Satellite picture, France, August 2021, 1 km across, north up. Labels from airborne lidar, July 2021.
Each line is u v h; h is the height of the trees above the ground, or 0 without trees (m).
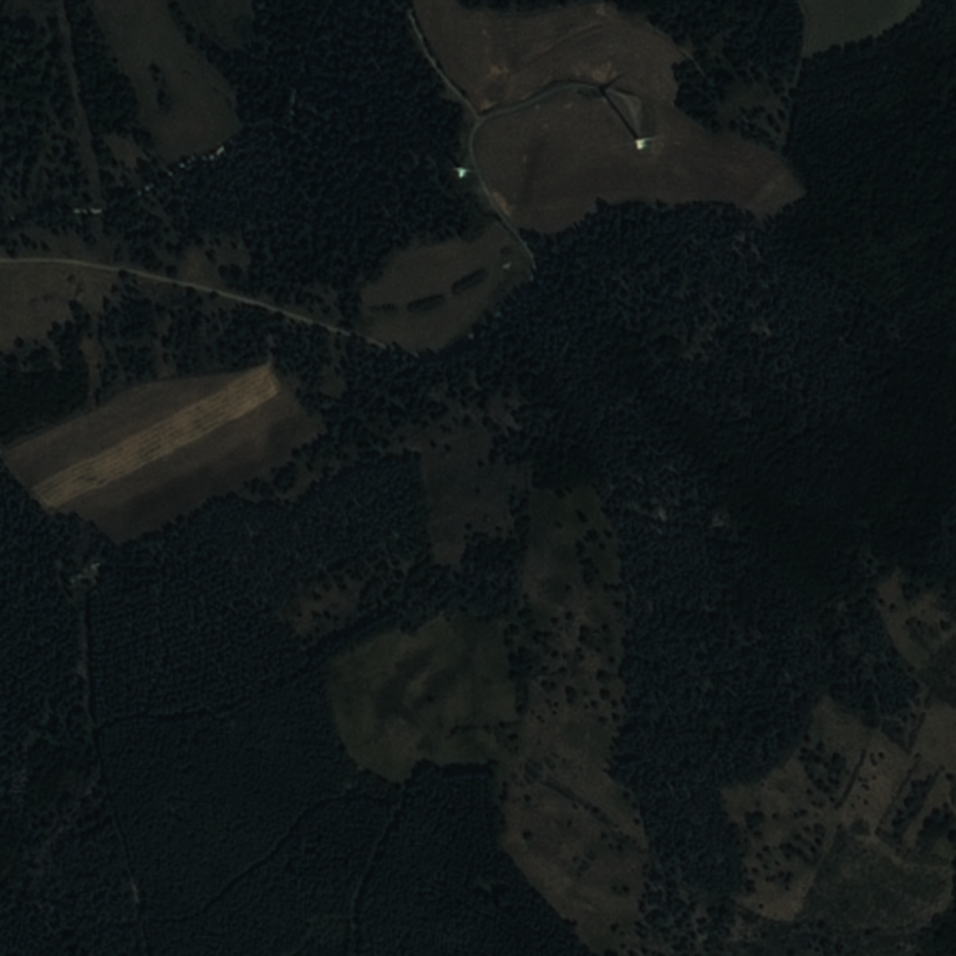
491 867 27
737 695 17
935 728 0
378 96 26
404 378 17
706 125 11
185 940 20
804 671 15
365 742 0
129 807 18
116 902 17
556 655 8
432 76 11
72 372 10
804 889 0
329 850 29
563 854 0
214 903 22
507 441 16
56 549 16
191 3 0
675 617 16
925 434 15
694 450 12
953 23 17
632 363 11
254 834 19
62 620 20
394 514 15
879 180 11
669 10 10
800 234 9
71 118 7
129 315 11
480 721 0
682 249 18
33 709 25
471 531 7
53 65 8
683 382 15
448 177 9
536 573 0
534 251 18
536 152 0
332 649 22
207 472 0
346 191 25
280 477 10
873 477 16
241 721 22
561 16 0
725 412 10
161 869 18
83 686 21
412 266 0
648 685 17
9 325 0
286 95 11
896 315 7
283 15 11
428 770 20
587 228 14
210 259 12
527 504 11
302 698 21
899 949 8
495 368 6
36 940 19
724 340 18
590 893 0
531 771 0
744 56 13
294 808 19
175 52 0
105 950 15
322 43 16
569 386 19
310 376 8
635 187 0
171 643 16
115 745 20
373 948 15
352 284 16
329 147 29
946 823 13
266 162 16
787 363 7
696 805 17
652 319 16
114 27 0
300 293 11
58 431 0
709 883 15
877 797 0
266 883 23
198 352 0
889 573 10
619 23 0
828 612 11
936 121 15
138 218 13
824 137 11
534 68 0
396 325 0
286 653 20
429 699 8
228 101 0
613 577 0
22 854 13
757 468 8
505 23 0
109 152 10
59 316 0
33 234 0
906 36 14
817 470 16
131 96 10
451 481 0
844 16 0
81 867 15
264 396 0
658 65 0
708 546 11
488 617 6
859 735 0
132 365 7
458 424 7
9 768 22
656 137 0
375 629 23
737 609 13
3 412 11
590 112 0
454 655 0
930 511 15
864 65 14
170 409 0
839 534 14
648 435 14
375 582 16
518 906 24
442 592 18
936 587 9
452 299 0
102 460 0
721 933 12
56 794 12
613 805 0
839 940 6
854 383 13
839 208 8
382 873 22
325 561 16
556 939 26
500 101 0
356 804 21
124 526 0
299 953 9
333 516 16
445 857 19
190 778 18
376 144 23
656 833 17
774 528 13
